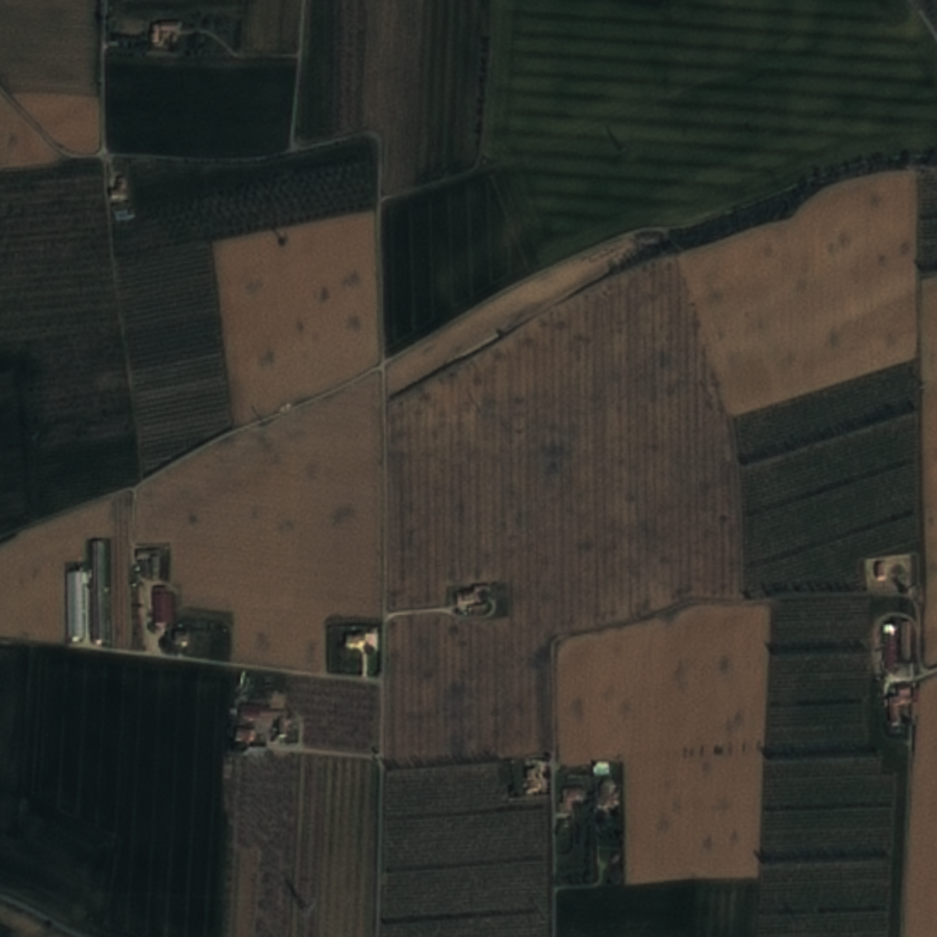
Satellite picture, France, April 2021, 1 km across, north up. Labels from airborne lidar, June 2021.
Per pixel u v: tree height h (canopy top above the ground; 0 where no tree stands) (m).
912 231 0
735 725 0
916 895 0
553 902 0
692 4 0
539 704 0
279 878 7
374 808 0
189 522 0
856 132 0
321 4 0
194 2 0
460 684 0
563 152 0
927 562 0
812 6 0
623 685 0
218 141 0
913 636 0
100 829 0
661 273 0
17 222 8
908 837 0
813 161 0
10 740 0
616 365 0
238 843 8
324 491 0
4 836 0
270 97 0
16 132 0
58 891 0
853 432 19
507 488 0
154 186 0
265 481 0
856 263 0
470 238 0
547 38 0
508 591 0
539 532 0
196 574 0
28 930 0
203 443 6
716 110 0
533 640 0
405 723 0
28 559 0
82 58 0
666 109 0
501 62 0
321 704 7
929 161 11
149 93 0
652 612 0
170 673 0
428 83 0
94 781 0
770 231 0
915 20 0
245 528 0
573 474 0
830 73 0
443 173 0
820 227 0
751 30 0
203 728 0
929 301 0
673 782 0
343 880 0
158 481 0
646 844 0
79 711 0
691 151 0
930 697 0
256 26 0
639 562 0
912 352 0
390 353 0
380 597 0
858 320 0
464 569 0
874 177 0
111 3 7
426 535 0
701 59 0
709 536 0
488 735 0
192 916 0
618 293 0
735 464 0
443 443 0
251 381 0
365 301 0
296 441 0
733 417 0
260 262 0
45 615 0
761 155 0
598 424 0
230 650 0
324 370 0
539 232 0
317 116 0
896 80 0
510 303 0
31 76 0
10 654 0
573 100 0
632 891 0
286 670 0
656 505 0
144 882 0
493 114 0
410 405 0
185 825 0
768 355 0
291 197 7
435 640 0
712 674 0
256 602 0
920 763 0
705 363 0
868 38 0
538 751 0
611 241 0
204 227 6
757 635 0
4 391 0
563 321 0
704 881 0
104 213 6
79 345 6
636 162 0
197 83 0
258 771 10
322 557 0
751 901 0
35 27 0
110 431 11
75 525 0
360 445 0
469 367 0
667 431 0
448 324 0
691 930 0
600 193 0
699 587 0
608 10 0
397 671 0
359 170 7
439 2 0
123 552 0
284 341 0
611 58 0
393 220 0
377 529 0
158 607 0
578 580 0
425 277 0
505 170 0
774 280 0
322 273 0
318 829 5
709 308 0
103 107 0
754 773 0
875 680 0
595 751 0
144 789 0
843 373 0
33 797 0
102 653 0
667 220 0
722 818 0
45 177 6
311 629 0
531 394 0
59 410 6
